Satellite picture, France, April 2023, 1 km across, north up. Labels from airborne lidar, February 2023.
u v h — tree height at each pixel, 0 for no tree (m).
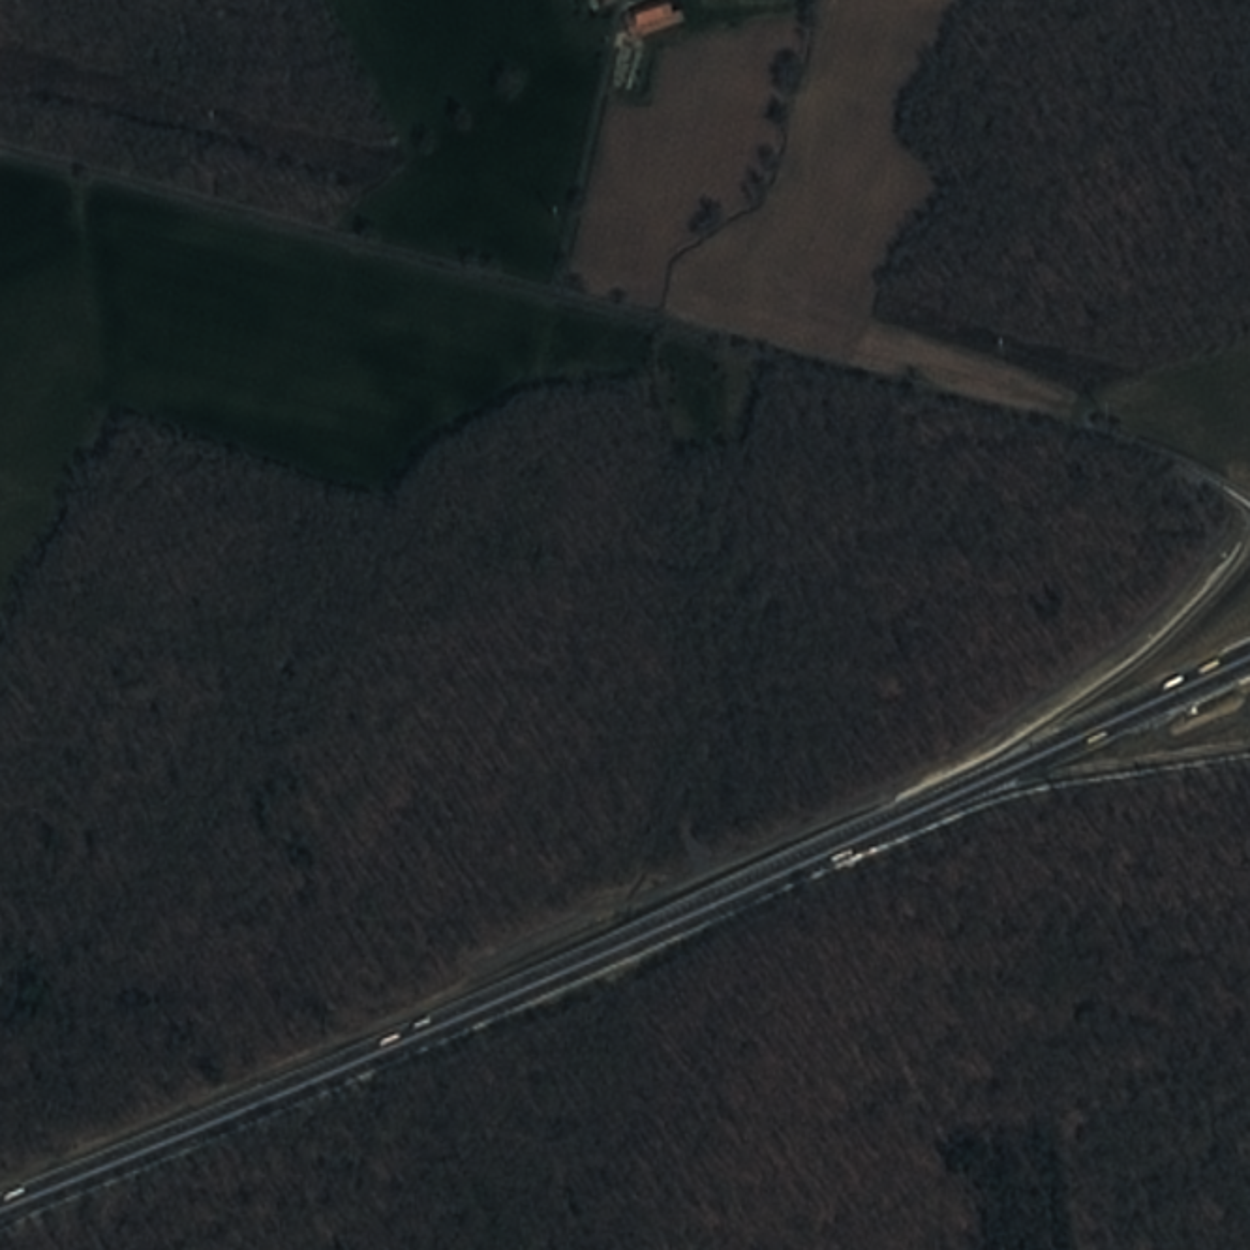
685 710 20
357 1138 25
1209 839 17
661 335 9
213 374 0
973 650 22
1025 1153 22
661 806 22
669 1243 24
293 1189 22
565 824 26
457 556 20
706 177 0
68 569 19
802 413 19
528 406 18
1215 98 14
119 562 21
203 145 12
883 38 0
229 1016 18
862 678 18
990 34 20
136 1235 23
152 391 0
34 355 0
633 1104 22
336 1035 13
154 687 19
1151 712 0
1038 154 24
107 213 0
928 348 0
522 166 0
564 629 22
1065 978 18
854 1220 22
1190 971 22
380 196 0
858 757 23
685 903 0
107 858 26
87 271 0
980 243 18
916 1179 25
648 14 0
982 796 0
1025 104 23
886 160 0
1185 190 19
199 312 0
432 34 0
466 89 0
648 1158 28
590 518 23
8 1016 22
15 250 0
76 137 21
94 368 0
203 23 15
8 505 0
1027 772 0
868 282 0
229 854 21
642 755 23
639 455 22
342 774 23
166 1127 0
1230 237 19
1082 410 0
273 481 18
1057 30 22
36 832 22
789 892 0
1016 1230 24
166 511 23
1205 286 23
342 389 0
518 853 28
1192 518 21
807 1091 25
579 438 20
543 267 0
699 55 0
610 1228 22
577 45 0
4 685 23
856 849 0
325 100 15
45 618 18
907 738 22
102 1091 16
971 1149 21
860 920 25
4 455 0
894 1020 17
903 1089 22
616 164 0
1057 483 18
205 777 21
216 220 0
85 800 26
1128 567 16
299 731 15
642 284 0
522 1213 23
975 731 19
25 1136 17
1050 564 24
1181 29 25
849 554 18
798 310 0
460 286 0
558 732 28
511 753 27
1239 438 0
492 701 23
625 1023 23
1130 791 17
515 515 17
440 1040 0
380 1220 23
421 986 17
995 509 20
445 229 0
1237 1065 19
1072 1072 15
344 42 16
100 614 17
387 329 0
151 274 0
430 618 16
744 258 0
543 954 0
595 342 0
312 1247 20
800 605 13
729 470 21
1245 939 24
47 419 0
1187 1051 23
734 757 21
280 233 0
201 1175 23
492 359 0
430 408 0
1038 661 22
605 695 28
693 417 0
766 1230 24
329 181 22
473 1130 24
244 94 19
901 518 21
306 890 17
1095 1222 16
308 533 20
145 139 15
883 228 0
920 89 14
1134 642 0
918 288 20
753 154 0
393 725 18
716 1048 24
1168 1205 16
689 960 18
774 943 23
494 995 0
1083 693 0
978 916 22
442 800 25
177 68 11
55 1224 23
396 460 0
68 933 24
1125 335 20
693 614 18
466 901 27
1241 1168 18
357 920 26
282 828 15
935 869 23
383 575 24
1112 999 22
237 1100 0
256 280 0
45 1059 24
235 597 17
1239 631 0
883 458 17
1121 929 16
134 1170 0
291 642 19
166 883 15
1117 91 20
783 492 16
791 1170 23
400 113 0
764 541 23
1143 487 20
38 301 0
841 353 0
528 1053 23
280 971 21
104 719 26
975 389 0
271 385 0
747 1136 27
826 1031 24
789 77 20
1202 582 0
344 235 0
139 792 15
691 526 22
